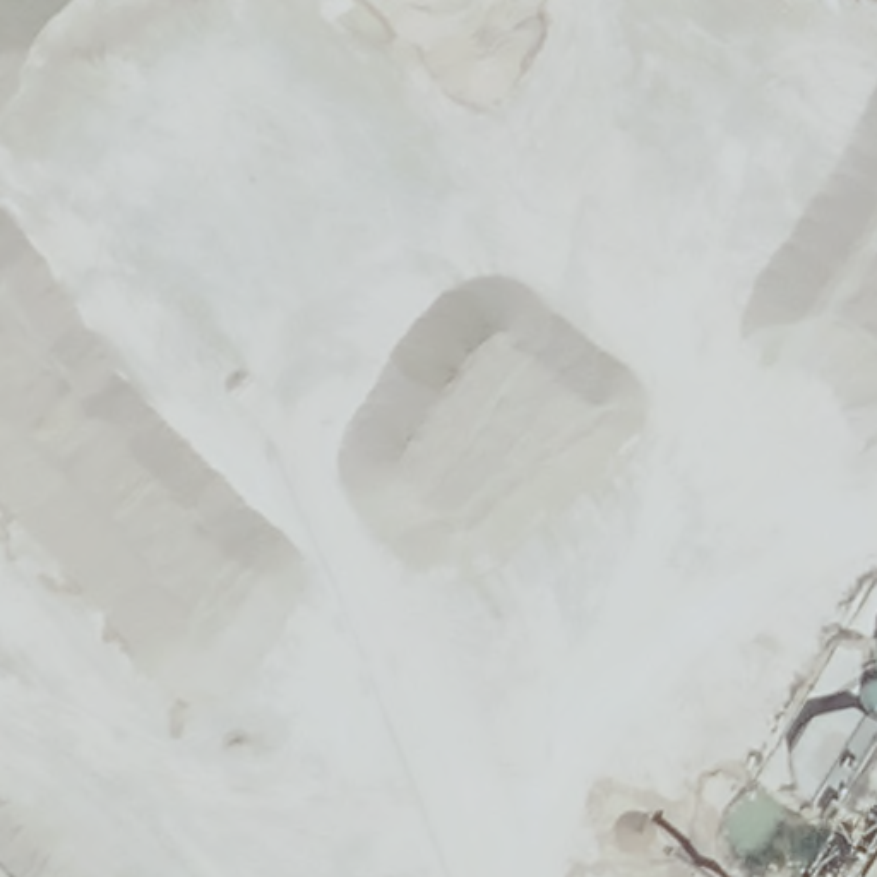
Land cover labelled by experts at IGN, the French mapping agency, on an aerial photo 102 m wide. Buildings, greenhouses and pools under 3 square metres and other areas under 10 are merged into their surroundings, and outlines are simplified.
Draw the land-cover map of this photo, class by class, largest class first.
<instances>
[{"label":"pervious surface","instance_id":"1","mask_svg":"<svg viewBox=\"0 0 877 877\"><path fill-rule=\"evenodd\" d=\"M877 569V0H0V877H791L778 867L767 863V874H754V867H743L740 860L750 850H757L767 839V832L781 822L785 805L771 802L767 791L788 781V747L785 737L774 733V709H781V702L788 699V685L795 682V675L805 671L808 658L815 654L822 627L832 623L843 593L853 586L860 572Z\"/></svg>","mask_w":877,"mask_h":877},{"label":"impervious surface","instance_id":"2","mask_svg":"<svg viewBox=\"0 0 877 877\"><path fill-rule=\"evenodd\" d=\"M877 644V569L860 572L853 586L843 593L832 623L822 627L815 654L808 658L805 671L795 675V682L788 685V699L781 702V709H774V733L785 737L788 747L802 740L812 719L856 706L863 665ZM853 822H843L836 832L829 853H819L815 860H781L778 867L791 877H877V808L867 812L863 839L850 843Z\"/></svg>","mask_w":877,"mask_h":877},{"label":"building","instance_id":"3","mask_svg":"<svg viewBox=\"0 0 877 877\"><path fill-rule=\"evenodd\" d=\"M856 706L812 719L802 740L788 747V781L767 791L771 802L785 805L781 822L819 826L836 832L843 822H853L850 843L863 839L867 812L877 808V644L863 665Z\"/></svg>","mask_w":877,"mask_h":877},{"label":"brushwood","instance_id":"4","mask_svg":"<svg viewBox=\"0 0 877 877\"><path fill-rule=\"evenodd\" d=\"M836 832L819 826L781 822L767 832V839L757 850H750L740 860L743 867H754V874H767V863L778 867L781 860H815L819 853H829Z\"/></svg>","mask_w":877,"mask_h":877}]
</instances>
